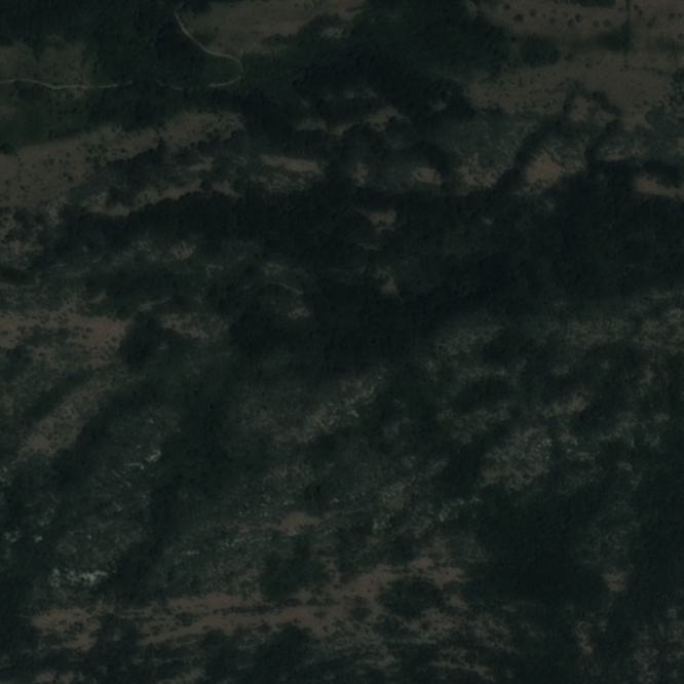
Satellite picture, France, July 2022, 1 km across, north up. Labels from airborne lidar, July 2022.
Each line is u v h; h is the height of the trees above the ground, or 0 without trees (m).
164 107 10
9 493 9
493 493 6
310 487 7
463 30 7
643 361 6
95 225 8
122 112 8
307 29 8
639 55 0
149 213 12
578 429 8
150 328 9
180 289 6
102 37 12
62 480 8
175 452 7
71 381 6
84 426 6
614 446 12
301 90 13
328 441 8
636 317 5
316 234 12
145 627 0
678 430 7
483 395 10
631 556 7
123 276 8
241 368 6
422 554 0
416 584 7
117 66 9
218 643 6
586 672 8
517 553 8
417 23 5
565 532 13
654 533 12
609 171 15
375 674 6
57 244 8
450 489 6
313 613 0
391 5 9
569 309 6
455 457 11
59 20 6
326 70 19
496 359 11
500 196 10
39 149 0
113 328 0
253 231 12
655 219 6
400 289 8
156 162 10
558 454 6
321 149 9
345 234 11
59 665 7
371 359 6
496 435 8
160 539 7
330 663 5
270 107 18
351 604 0
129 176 10
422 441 6
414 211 16
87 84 0
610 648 7
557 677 9
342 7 0
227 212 13
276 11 0
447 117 7
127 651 6
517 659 7
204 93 7
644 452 7
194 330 0
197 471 6
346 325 10
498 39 9
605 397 8
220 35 0
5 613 6
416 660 7
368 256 6
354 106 9
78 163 0
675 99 7
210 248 8
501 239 9
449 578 0
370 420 9
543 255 11
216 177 7
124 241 9
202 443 6
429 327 10
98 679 7
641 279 8
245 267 6
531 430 0
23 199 0
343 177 6
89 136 0
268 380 6
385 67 14
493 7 0
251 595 0
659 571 6
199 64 7
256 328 18
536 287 17
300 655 6
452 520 7
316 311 12
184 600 0
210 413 10
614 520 6
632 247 14
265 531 0
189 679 0
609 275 6
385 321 9
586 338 0
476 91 0
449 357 6
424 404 6
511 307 16
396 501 0
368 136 11
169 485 10
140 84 15
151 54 9
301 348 7
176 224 5
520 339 6
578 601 7
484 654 6
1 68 0
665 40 0
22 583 6
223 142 6
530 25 0
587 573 7
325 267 10
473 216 11
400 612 6
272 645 7
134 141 0
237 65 0
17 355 7
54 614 0
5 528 5
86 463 10
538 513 12
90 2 7
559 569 10
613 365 6
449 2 7
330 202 11
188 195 11
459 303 21
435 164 9
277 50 0
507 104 0
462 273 18
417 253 8
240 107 6
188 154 9
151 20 23
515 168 7
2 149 9
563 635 8
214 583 0
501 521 10
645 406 6
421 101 12
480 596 8
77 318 0
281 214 14
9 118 0
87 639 0
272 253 7
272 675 6
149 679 7
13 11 15
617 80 0
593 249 7
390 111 0
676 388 8
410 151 7
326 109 17
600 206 9
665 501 8
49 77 0
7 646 7
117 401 6
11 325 0
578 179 8
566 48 0
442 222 7
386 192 7
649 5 0
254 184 7
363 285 8
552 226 12
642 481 8
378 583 0
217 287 8
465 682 6
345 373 7
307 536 8
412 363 5
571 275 13
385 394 6
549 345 5
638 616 6
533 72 0
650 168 11
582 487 6
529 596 7
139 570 7
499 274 24
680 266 11
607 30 0
